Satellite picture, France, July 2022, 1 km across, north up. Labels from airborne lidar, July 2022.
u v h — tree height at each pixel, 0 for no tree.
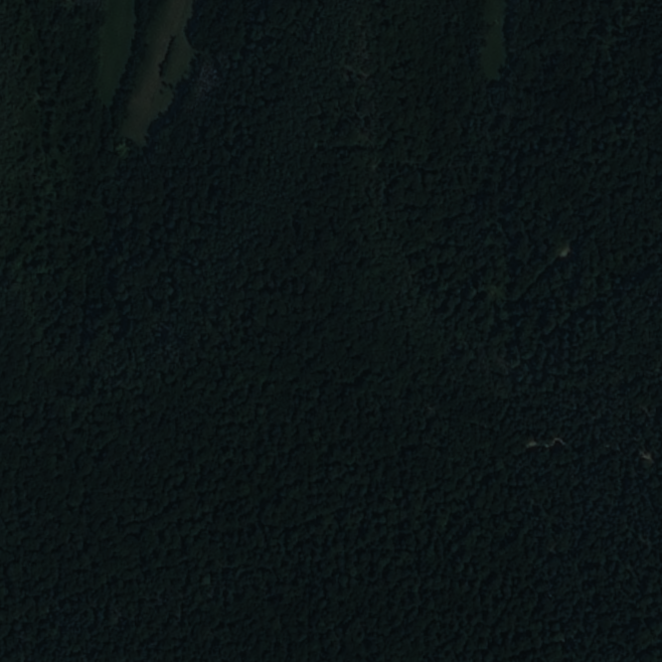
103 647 22
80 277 10
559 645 16
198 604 19
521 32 25
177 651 26
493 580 30
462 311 34
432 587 27
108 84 0
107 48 0
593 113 27
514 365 37
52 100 12
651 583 31
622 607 27
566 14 28
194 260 28
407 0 40
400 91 40
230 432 20
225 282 20
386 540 28
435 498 29
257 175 28
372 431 22
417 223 43
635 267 13
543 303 21
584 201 25
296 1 39
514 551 22
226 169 33
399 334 25
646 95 18
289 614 23
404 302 23
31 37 12
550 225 24
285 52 32
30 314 17
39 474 27
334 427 26
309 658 27
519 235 27
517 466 29
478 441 23
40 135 10
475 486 27
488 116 26
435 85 20
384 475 13
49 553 27
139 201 32
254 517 10
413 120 39
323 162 25
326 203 26
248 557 23
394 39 42
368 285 20
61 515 29
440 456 21
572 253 7
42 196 7
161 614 20
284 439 27
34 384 26
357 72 23
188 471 26
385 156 36
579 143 35
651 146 11
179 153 23
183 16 0
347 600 18
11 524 27
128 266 36
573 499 30
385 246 23
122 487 28
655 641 12
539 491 26
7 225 29
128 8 0
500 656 28
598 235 27
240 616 21
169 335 20
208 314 29
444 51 20
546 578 25
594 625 27
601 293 10
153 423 27
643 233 26
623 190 19
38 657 23
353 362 27
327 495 14
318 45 19
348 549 24
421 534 28
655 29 15
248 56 32
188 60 0
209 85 23
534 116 32
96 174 21
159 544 25
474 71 27
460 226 30
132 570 23
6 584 13
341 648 14
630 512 32
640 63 23
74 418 16
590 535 31
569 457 20
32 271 27
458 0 24
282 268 27
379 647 25
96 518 32
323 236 31
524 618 26
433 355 20
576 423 28
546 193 22
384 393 20
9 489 24
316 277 29
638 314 22
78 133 18
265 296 31
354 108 26
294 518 26
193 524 26
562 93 27
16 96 24
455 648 25
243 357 24
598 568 29
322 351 24
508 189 29
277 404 17
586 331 31
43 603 27
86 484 29
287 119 17
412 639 21
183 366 27
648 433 30
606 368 23
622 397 24
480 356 35
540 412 29
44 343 27
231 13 31
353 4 17
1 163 15
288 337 21
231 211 25
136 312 41
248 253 25
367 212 25
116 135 22
